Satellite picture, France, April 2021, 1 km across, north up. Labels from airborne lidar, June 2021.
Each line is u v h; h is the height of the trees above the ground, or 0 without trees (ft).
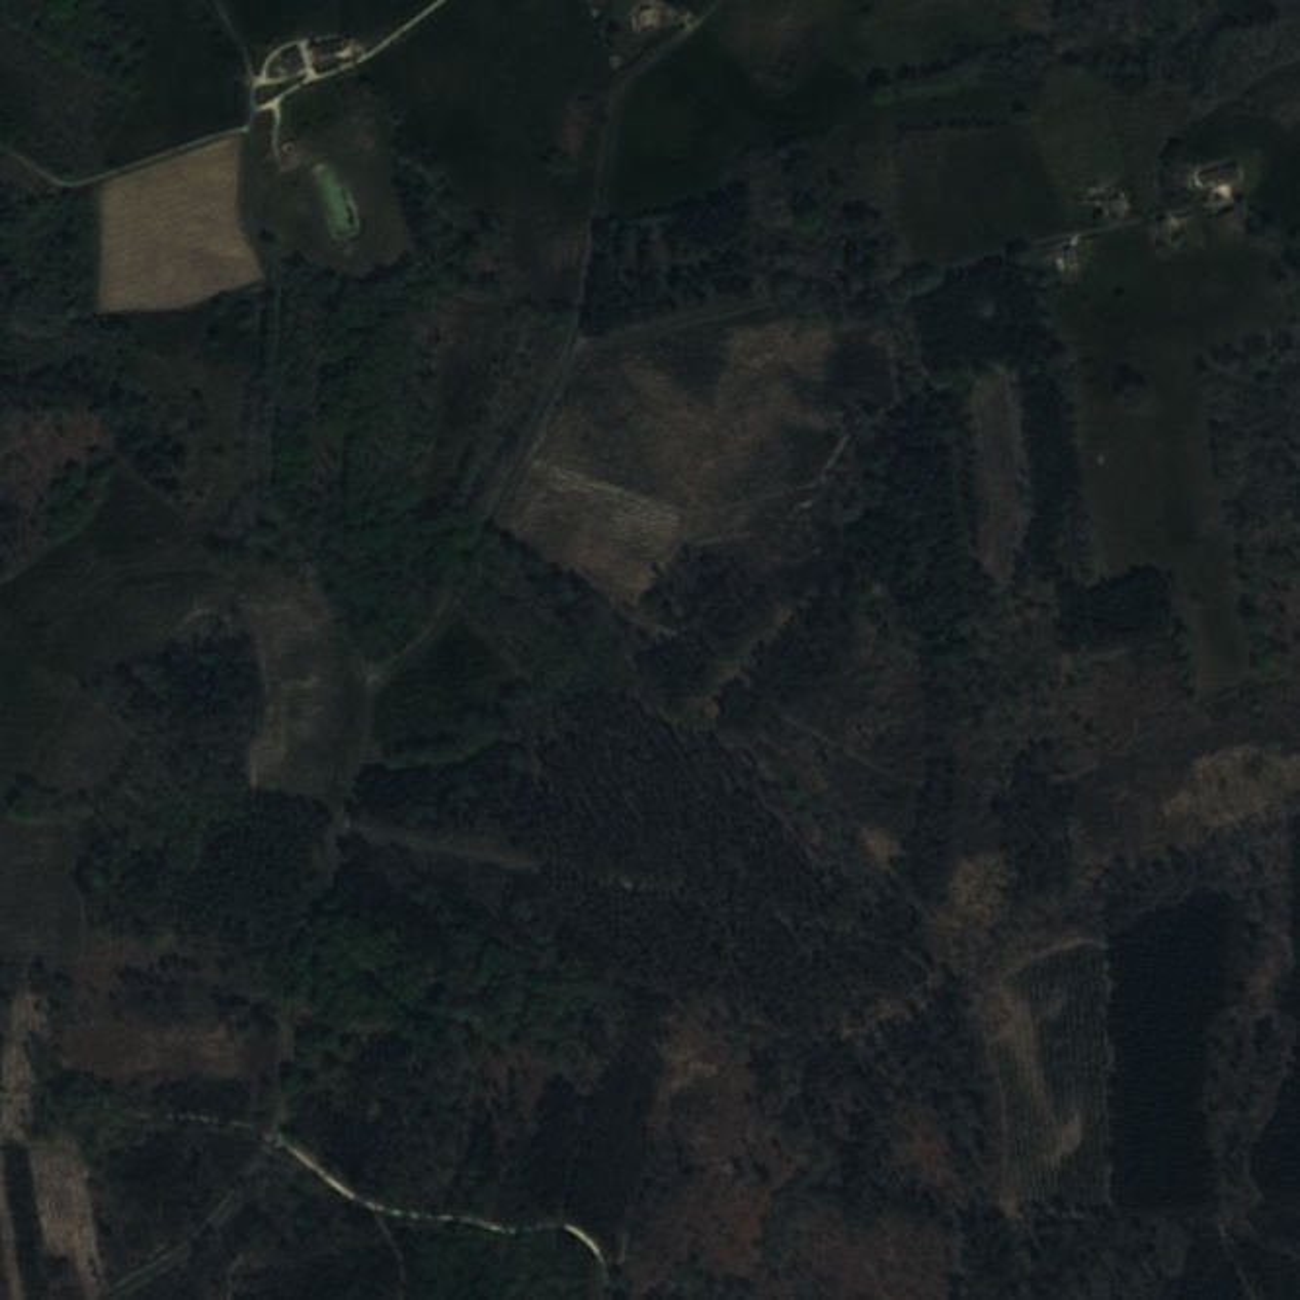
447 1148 92
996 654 38
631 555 0
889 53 0
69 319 50
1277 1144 34
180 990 91
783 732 70
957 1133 30
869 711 31
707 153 0
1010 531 0
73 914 0
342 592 56
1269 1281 51
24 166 0
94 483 40
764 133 0
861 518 26
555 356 29
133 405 51
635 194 0
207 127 0
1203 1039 40
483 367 0
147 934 80
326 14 0
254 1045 0
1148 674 0
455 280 51
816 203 36
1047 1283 72
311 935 40
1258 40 37
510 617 56
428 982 33
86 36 30
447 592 61
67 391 27
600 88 0
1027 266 26
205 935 64
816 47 0
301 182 0
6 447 26
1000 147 0
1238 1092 21
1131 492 0
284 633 0
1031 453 35
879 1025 23
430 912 36
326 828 57
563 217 0
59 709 0
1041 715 22
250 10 0
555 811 57
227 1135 27
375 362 59
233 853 66
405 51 0
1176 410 0
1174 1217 19
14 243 53
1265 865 33
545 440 0
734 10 0
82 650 0
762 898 50
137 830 64
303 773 0
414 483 65
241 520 42
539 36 0
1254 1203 46
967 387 55
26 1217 28
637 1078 42
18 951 0
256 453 46
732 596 71
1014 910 66
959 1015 63
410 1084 85
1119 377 0
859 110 0
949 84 46
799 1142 35
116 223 0
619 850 62
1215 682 0
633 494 0
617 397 0
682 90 0
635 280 46
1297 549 33
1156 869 45
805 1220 52
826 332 37
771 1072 85
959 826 80
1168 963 32
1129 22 46
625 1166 41
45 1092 51
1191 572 0
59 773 0
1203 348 0
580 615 55
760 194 0
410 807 22
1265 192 0
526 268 0
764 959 69
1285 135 0
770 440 0
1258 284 0
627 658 41
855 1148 24
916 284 54
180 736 43
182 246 0
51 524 33
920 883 58
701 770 50
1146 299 0
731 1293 46
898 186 0
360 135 0
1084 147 0
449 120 0
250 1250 57
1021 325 37
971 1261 35
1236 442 49
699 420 0
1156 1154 33
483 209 0
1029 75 43
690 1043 0
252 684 50
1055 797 79
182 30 0
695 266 0
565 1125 33
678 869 49
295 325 44
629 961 62
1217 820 0
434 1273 25
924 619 61
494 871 20
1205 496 0
